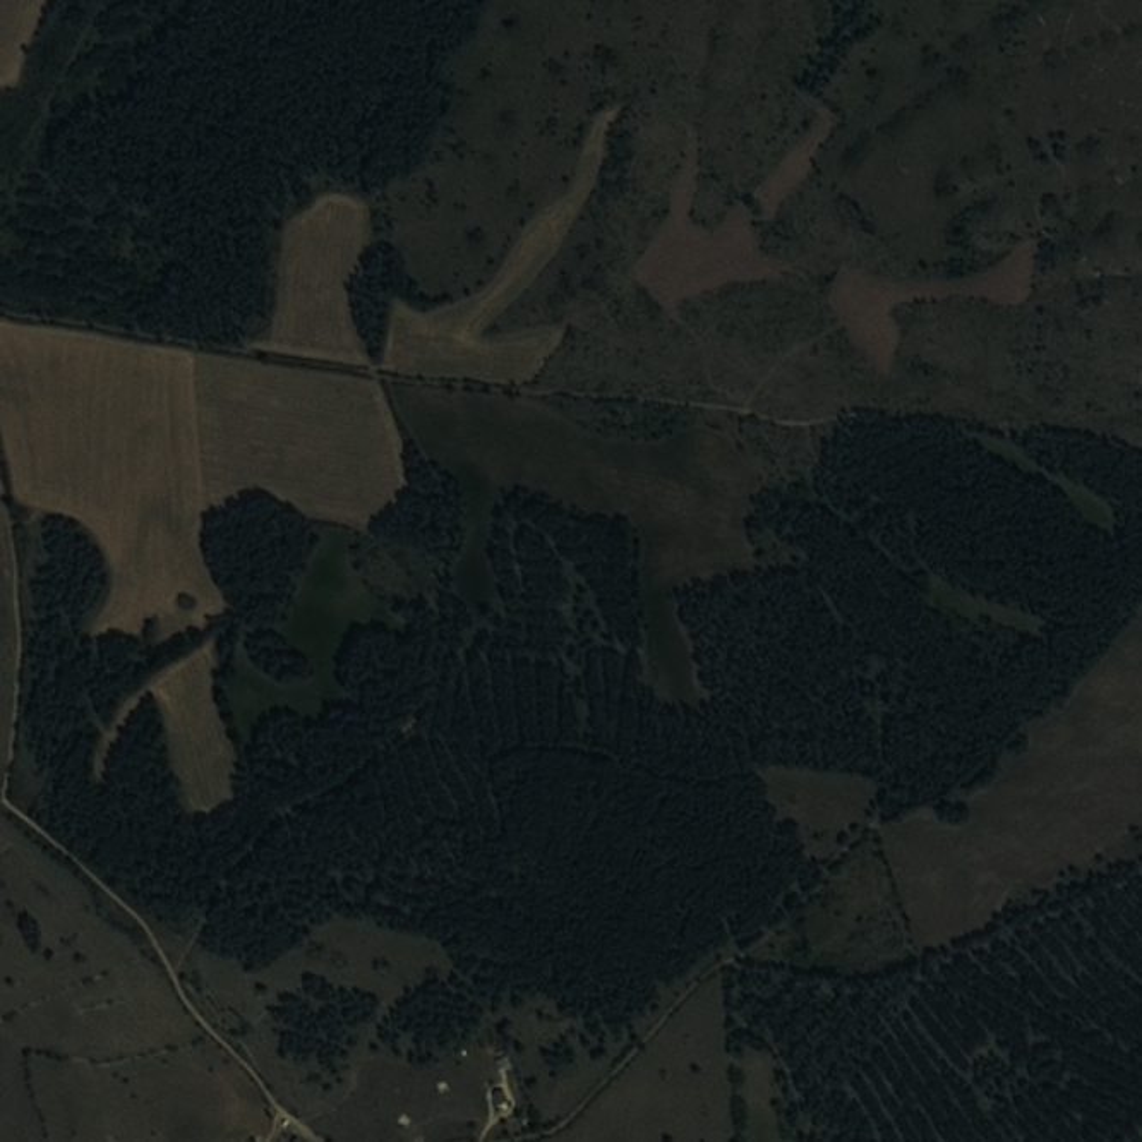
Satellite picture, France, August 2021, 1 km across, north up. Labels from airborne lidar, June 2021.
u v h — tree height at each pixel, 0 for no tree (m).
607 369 0
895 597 16
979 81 0
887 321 0
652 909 15
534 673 12
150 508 0
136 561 0
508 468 0
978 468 17
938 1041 13
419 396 0
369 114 19
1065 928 12
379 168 20
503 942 15
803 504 8
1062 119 0
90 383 0
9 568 0
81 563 13
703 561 0
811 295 0
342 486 0
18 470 0
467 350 0
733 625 18
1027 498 18
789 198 0
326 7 20
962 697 17
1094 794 0
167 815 11
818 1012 15
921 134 0
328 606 0
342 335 0
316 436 0
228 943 11
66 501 0
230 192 20
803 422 0
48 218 7
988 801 0
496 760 14
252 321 15
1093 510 0
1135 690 0
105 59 7
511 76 0
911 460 16
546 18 0
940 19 0
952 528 17
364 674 17
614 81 0
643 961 13
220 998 0
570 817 15
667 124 0
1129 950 12
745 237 0
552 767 13
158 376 0
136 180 17
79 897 0
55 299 8
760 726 16
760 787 14
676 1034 0
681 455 0
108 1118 0
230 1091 0
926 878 0
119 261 5
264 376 0
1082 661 13
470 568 0
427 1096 0
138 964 0
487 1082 0
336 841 12
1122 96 0
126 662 13
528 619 13
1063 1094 13
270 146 18
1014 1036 13
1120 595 16
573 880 13
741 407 0
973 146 0
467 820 12
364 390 0
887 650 13
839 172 0
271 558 19
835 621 14
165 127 21
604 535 13
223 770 0
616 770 14
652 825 13
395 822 14
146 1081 0
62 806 11
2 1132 0
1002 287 0
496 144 0
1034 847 0
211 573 7
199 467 0
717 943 12
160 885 10
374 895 14
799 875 14
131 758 15
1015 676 15
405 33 17
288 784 18
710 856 15
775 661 15
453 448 0
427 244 0
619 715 11
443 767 12
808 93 12
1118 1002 13
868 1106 12
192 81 20
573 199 0
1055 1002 13
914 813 7
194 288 19
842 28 9
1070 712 0
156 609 0
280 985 0
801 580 16
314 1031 12
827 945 0
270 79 23
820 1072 14
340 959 0
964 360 0
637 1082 0
